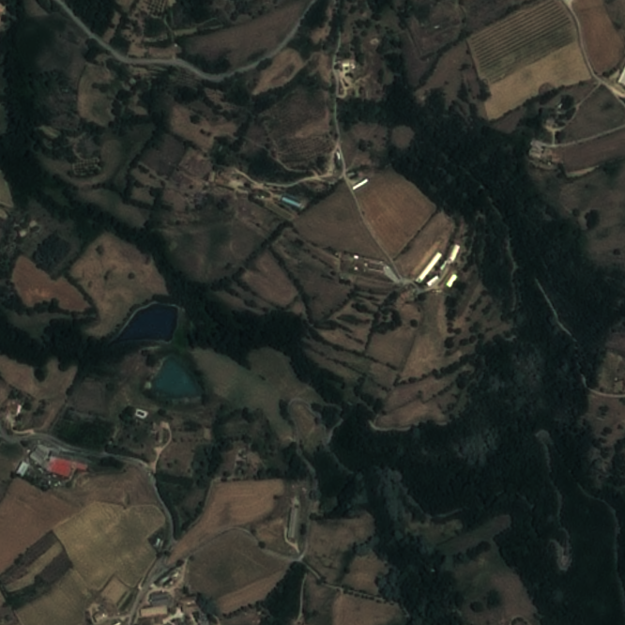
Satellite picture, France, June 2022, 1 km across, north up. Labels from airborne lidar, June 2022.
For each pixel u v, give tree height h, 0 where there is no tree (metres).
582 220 0
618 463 14
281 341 23
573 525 13
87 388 0
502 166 12
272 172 6
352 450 17
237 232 0
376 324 8
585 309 9
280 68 0
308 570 10
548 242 11
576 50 0
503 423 20
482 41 0
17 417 6
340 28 6
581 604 9
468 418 14
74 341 23
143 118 15
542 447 20
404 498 9
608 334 8
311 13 14
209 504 0
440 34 0
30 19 0
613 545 10
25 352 16
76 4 8
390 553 24
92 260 0
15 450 0
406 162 18
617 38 0
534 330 15
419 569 16
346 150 0
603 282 6
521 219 8
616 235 0
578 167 0
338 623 0
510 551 22
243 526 0
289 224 8
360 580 0
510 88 0
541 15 0
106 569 0
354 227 0
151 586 0
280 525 0
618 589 14
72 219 9
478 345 7
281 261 10
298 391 0
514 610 0
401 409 0
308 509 0
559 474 15
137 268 0
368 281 0
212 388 0
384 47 9
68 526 0
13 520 0
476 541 0
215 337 20
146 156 0
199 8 9
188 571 0
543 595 18
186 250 0
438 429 9
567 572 9
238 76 12
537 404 16
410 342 0
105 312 0
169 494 11
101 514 0
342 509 19
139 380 0
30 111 9
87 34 0
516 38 0
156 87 7
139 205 10
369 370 0
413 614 11
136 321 0
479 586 0
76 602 0
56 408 0
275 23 0
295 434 0
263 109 10
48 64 0
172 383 0
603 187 0
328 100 0
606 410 10
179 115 0
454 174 20
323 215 0
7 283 9
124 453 14
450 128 12
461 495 20
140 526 0
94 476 0
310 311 8
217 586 0
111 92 0
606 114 0
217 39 0
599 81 0
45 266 12
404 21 7
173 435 0
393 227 0
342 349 9
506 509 16
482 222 14
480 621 0
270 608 7
